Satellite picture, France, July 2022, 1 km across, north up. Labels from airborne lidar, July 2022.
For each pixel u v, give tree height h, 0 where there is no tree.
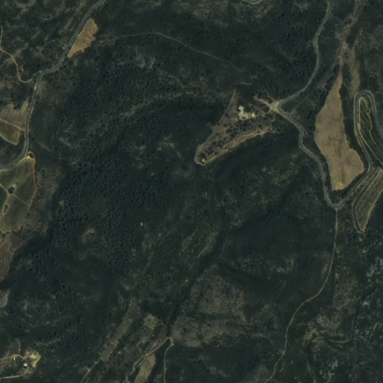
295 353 0
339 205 0
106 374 9
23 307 0
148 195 8
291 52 7
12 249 0
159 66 7
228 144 0
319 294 0
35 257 7
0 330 0
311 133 10
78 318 9
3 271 0
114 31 0
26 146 0
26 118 0
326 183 7
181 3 0
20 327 10
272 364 0
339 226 0
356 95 0
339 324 0
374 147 0
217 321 0
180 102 11
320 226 0
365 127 0
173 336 0
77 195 11
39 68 9
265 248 0
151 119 10
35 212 0
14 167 0
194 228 6
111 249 7
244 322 0
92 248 7
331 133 0
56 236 12
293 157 0
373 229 0
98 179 12
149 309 8
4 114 0
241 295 0
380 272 0
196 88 6
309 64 9
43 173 7
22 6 0
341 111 0
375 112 0
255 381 0
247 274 6
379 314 0
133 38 10
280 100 0
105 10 7
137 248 6
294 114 0
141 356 0
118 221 9
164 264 7
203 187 6
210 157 0
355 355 0
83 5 0
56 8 0
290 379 0
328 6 0
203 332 0
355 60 0
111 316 12
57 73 12
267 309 0
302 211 0
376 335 0
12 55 0
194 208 7
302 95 6
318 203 0
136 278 0
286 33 6
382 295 0
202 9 0
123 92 9
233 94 0
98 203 0
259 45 7
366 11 6
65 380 0
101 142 16
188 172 0
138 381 0
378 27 0
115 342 0
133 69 7
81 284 0
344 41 0
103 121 9
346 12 0
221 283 0
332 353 0
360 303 0
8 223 0
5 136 0
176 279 9
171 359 0
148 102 6
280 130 14
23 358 0
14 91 0
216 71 0
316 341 0
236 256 0
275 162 0
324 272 0
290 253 0
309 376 0
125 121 10
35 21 6
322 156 6
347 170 0
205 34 12
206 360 0
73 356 6
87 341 9
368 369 6
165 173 8
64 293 8
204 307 0
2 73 7
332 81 7
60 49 5
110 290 0
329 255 0
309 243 0
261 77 9
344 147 0
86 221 6
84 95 6
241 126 7
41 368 0
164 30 0
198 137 0
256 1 0
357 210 0
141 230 7
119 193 7
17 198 0
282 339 0
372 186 0
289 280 0
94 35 7
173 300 8
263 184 0
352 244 6
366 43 0
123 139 11
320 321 0
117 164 6
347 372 0
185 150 0
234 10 0
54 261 14
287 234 0
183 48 9
